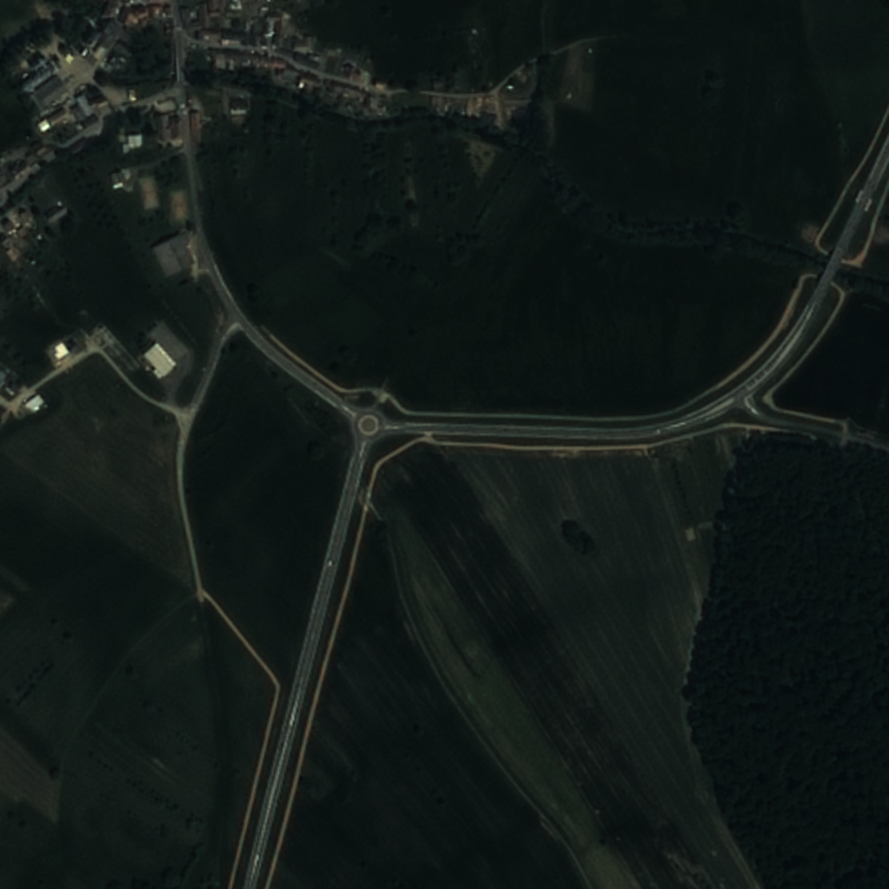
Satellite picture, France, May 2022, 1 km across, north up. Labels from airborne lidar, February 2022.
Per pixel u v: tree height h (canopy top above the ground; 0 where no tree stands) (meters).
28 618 0
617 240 0
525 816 0
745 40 0
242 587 0
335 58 0
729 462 0
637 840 0
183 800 0
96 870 0
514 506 0
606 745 0
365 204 0
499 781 0
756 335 0
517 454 0
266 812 0
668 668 0
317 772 0
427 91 0
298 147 0
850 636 25
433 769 0
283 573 0
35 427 0
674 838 0
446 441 0
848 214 0
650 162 0
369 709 0
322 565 0
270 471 0
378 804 0
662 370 0
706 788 0
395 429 0
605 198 0
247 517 0
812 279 0
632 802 0
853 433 0
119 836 0
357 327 0
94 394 0
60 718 0
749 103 0
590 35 0
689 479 0
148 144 0
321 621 0
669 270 0
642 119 0
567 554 0
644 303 0
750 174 0
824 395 0
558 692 0
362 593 0
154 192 0
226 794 0
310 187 0
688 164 0
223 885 0
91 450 0
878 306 0
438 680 0
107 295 0
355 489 0
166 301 0
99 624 0
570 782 0
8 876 0
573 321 0
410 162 6
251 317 0
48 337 0
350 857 0
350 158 0
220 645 0
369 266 0
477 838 0
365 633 0
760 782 30
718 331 0
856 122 0
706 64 0
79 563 0
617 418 0
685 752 0
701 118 0
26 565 0
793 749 30
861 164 0
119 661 0
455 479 0
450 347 0
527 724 0
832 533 23
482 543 0
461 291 0
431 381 0
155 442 0
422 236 0
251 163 0
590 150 0
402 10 0
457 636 0
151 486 0
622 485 0
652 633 0
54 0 14
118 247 0
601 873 0
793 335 0
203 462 0
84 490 0
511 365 0
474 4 0
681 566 0
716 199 0
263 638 0
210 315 0
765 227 0
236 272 0
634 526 0
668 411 0
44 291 0
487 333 0
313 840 0
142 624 0
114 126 15
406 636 0
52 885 0
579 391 0
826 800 30
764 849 23
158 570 0
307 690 0
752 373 0
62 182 0
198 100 0
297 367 0
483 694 0
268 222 0
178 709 0
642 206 0
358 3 0
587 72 0
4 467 0
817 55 0
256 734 0
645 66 0
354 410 0
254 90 11
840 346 0
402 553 0
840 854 28
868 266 0
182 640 0
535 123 34
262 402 0
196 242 0
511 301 0
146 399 0
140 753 0
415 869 0
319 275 0
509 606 0
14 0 0
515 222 0
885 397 0
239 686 0
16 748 0
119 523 0
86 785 0
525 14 0
